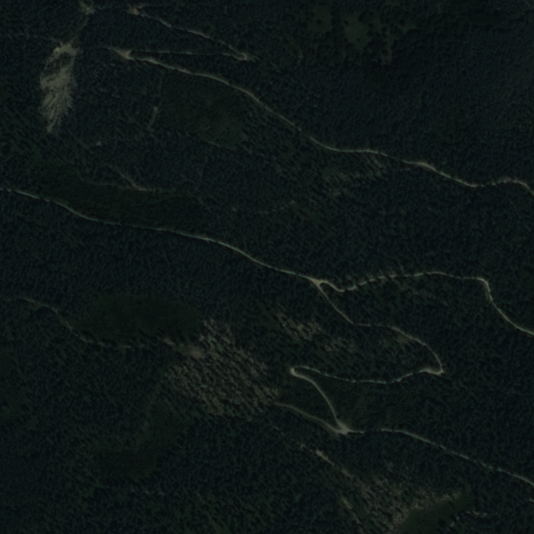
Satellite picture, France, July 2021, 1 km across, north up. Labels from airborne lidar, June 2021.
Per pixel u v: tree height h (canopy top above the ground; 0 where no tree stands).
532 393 22
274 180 28
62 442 26
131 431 14
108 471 8
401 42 14
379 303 28
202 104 6
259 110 26
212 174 18
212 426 28
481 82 21
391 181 28
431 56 24
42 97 6
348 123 29
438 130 12
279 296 23
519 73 17
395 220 17
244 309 25
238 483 17
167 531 23
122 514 30
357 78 31
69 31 20
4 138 8
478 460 26
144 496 16
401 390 26
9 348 23
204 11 27
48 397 13
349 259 9
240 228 25
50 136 11
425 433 27
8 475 25
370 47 10
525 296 34
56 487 22
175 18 19
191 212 11
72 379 29
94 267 28
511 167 25
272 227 24
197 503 22
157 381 33
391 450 22
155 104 15
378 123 27
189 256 26
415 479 28
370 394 6
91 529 27
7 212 23
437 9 11
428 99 28
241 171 23
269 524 31
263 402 0
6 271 22
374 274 29
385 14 18
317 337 10
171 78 8
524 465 11
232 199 24
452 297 7
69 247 18
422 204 25
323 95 27
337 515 17
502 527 28
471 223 26
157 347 33
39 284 13
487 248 27
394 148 25
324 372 11
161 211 6
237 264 28
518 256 12
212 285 23
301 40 12
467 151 19
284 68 8
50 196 7
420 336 26
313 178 9
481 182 26
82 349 33
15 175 13
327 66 18
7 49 11
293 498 31
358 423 8
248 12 27
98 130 21
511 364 22
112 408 27
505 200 12
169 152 23
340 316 8
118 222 10
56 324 27
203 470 9
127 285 26
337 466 28
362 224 29
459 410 14
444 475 28
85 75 11
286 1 26
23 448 22
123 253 24
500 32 27
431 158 23
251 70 25
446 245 25
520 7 23
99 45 14
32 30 7
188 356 0
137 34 22
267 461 25
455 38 19
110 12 22
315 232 26
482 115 17
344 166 14
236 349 7
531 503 25
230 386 29
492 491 29
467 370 15
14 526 23
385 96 25
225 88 7
